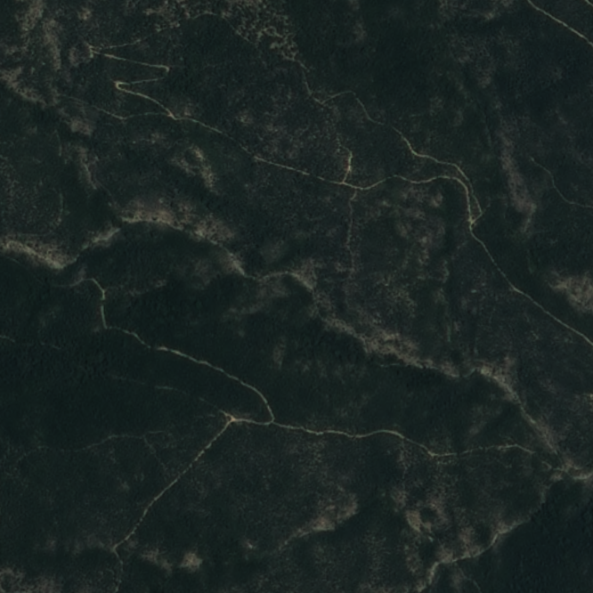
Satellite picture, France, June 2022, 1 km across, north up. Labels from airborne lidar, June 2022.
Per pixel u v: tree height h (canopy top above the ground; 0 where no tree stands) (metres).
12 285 5
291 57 8
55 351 9
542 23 7
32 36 7
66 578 7
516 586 8
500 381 0
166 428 6
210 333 8
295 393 6
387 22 9
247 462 9
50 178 7
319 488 6
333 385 6
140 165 10
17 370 6
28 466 6
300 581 6
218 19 9
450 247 6
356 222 7
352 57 7
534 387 5
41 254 0
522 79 7
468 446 6
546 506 10
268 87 7
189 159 7
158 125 7
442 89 7
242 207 8
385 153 6
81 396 6
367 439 7
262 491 7
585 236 7
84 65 9
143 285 6
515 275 7
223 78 7
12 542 6
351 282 6
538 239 9
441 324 7
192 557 0
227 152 7
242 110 7
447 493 9
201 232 0
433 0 6
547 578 7
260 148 6
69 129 6
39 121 9
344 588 11
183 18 11
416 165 7
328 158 8
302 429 7
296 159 6
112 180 8
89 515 6
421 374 6
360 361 12
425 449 6
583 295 0
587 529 15
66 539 6
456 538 8
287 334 8
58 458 6
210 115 9
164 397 6
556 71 8
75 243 9
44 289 6
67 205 9
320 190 9
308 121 7
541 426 0
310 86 7
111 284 9
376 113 6
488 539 8
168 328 5
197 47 11
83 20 8
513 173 0
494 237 6
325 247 8
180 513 7
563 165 7
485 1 8
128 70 6
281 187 7
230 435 6
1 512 8
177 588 7
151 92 7
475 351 8
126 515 8
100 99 6
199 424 6
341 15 7
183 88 10
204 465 6
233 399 6
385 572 6
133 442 7
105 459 6
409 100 7
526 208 0
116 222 12
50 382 8
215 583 6
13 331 10
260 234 10
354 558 6
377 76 5
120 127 9
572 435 6
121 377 6
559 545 9
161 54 6
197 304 11
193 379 5
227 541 7
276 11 8
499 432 6
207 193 6
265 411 8
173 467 6
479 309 6
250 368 6
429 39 6
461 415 7
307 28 9
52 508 9
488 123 6
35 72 9
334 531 6
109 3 8
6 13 7
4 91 6
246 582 5
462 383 5
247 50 7
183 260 6
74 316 8
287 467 7
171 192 12
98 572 7
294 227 11
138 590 5
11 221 7
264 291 0
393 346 0
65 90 10
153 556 0
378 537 7
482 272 7
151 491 7
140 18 11
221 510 10
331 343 6
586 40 7
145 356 7
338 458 6
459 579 0
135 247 7
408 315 6
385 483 7
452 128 5
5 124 6
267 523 7
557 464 6
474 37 6
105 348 6
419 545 9
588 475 0
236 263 0
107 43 8
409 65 6
